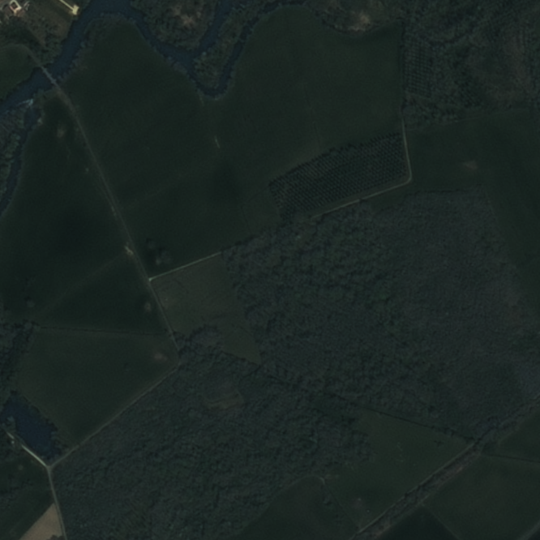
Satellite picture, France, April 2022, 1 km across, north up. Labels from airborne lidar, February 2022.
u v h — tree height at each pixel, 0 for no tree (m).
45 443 0
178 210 0
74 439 0
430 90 7
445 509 0
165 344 0
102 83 0
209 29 0
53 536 0
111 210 0
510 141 0
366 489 0
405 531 0
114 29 6
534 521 0
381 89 0
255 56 0
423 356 5
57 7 0
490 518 0
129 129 0
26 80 0
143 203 0
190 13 0
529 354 7
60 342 0
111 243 0
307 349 25
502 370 8
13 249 0
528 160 0
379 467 0
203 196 0
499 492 0
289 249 22
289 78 0
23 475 0
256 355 0
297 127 0
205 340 24
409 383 23
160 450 6
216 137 0
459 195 6
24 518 0
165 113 0
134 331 0
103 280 0
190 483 16
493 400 7
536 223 0
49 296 0
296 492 0
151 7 18
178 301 0
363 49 0
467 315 9
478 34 26
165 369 0
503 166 0
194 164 0
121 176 0
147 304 0
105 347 0
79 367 0
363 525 0
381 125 0
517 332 6
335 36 0
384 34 0
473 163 0
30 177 0
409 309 6
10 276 0
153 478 18
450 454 0
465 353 10
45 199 0
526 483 0
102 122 0
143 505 20
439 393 8
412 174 0
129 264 0
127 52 0
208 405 0
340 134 0
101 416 0
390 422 0
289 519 0
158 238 0
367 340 26
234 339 0
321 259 25
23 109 10
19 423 0
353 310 22
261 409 8
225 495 21
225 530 11
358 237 25
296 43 0
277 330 21
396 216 7
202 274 0
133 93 0
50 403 0
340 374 21
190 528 22
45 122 0
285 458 19
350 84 0
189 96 0
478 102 0
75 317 0
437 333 10
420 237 8
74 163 0
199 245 0
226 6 0
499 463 0
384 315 23
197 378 6
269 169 0
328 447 26
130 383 0
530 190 0
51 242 0
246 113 0
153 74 0
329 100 0
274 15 0
